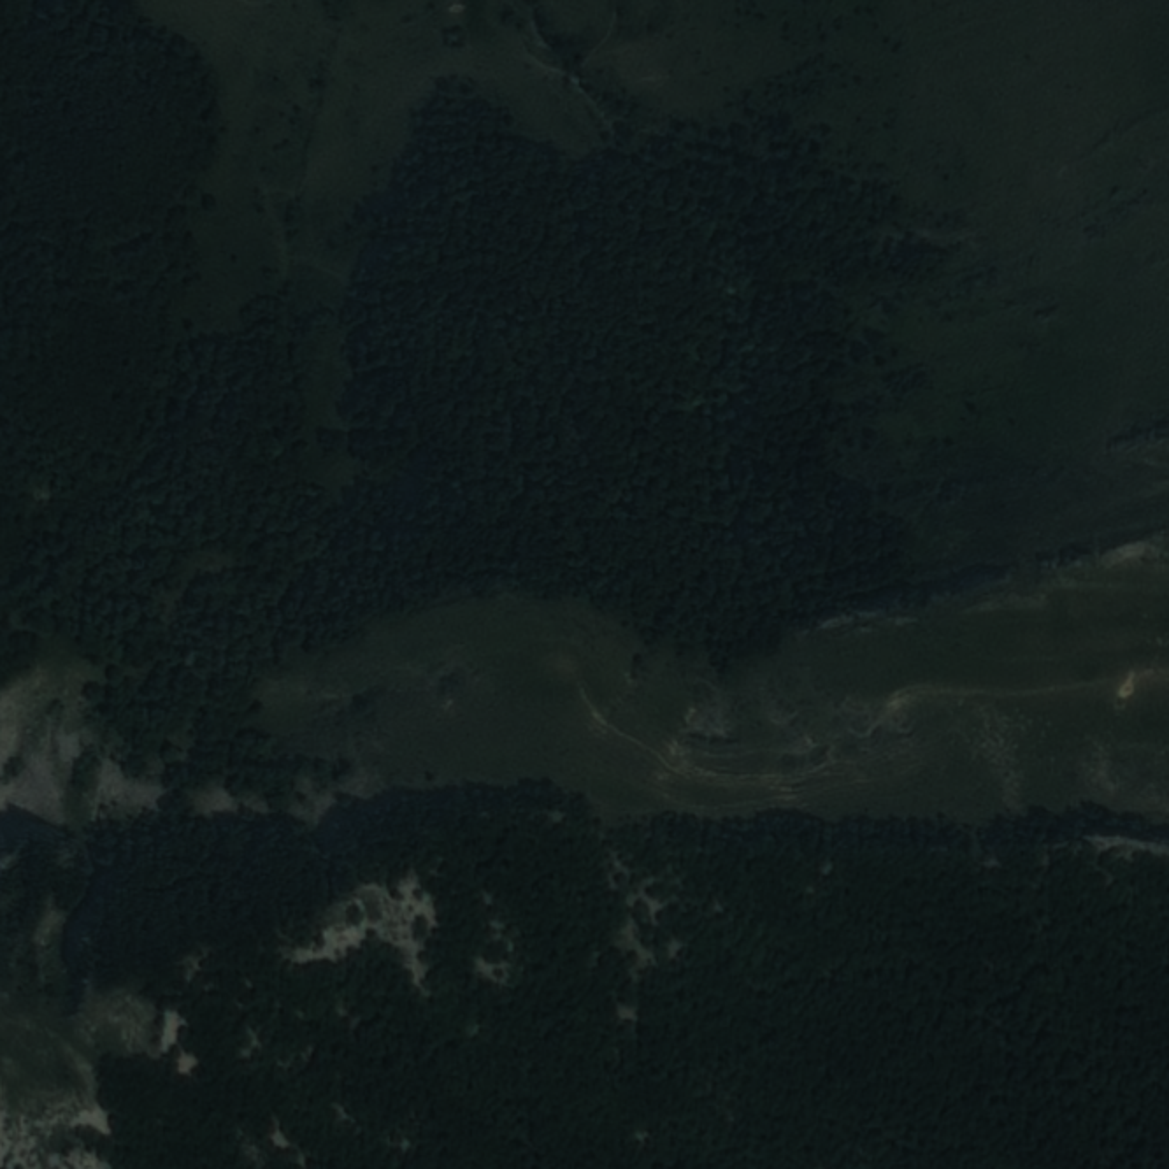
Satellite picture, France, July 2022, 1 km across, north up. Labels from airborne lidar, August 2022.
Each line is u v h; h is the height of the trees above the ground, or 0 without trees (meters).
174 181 24
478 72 0
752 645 15
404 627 0
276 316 13
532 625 0
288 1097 11
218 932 13
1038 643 0
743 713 0
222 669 16
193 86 23
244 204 0
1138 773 0
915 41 0
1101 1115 9
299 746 0
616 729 0
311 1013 11
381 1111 12
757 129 7
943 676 0
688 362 18
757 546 21
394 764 0
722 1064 11
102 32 26
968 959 15
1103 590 0
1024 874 8
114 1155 9
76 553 29
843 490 11
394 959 14
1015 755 0
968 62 0
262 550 18
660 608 7
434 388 22
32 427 23
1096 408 0
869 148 0
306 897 13
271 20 0
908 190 0
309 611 16
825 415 16
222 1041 14
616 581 18
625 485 25
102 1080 8
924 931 19
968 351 0
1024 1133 18
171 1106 14
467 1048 16
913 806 0
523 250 26
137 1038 0
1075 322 0
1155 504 0
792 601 14
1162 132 0
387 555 25
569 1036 22
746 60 0
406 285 19
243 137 0
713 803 0
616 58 0
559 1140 18
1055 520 0
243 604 26
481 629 0
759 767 0
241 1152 9
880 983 15
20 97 28
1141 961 16
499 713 0
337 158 0
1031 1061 21
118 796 0
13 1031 0
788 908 12
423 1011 19
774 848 10
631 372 17
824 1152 11
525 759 0
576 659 0
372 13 0
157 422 20
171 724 16
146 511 24
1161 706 0
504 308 20
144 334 25
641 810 0
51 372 24
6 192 29
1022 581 0
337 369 0
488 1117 21
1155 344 0
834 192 19
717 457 25
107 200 23
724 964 15
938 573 0
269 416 28
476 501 22
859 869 11
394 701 0
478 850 18
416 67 0
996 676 0
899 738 0
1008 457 0
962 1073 20
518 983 10
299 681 0
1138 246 0
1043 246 0
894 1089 19
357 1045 19
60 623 15
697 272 18
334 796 0
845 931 17
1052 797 0
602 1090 15
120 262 24
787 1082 17
